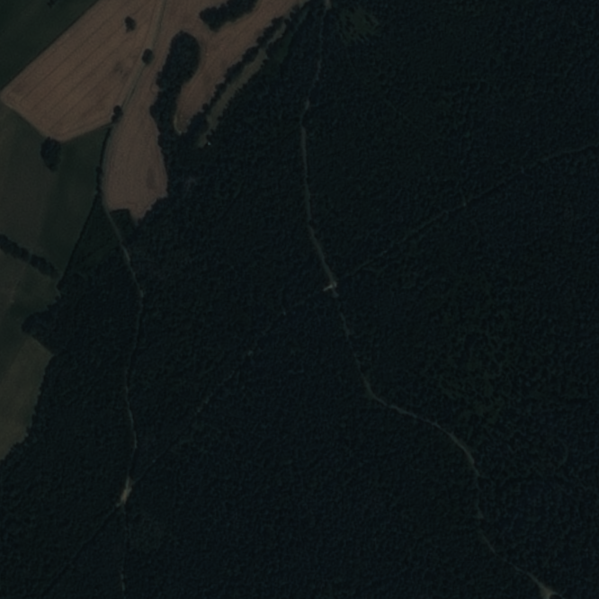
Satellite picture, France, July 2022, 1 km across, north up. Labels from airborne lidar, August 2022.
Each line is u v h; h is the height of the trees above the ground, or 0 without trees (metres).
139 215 0
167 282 16
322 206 7
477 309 10
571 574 26
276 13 0
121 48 0
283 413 21
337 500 22
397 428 18
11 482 9
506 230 24
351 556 21
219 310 15
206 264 20
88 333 11
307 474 21
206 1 0
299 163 12
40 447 13
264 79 10
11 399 0
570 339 17
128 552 16
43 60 0
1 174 0
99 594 8
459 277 10
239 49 0
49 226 0
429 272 17
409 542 18
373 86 6
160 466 9
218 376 15
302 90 22
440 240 13
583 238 19
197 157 11
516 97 15
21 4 0
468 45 12
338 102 8
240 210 14
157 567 18
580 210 23
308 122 16
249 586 19
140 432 17
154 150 0
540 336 13
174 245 11
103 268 13
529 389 29
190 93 0
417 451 11
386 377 16
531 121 15
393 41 9
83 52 0
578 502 16
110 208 0
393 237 17
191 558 14
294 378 20
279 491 22
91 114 0
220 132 8
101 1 0
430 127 13
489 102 16
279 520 21
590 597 26
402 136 12
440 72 6
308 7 8
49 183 0
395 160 10
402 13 10
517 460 12
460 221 19
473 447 12
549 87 18
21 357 0
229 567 15
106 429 15
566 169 13
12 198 0
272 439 17
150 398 18
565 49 21
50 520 10
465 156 15
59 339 16
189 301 17
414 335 18
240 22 0
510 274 11
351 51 19
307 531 23
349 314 11
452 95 7
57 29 0
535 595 21
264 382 19
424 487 14
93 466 14
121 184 0
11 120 0
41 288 0
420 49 11
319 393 23
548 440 27
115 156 0
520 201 20
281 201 9
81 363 13
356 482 20
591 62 20
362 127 9
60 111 0
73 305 11
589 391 21
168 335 16
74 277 8
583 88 23
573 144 22
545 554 25
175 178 23
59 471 10
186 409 13
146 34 0
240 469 17
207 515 17
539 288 21
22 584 17
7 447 0
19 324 0
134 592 14
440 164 15
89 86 0
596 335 17
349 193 12
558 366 21
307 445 18
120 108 13
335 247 14
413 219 19
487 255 19
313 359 22
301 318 23
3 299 0
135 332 15
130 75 0
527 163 18
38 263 17
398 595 20
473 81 8
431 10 11
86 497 12
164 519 15
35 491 17
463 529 11
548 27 22
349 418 13
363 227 10
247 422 20
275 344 27
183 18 0
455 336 9
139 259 8
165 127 21
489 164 23
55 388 12
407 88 12
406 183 12
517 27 18
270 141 13
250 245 13
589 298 18
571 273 18
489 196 18
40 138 0
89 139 0
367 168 10
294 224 8
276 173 10
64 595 10
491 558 15
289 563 15
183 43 23
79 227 0
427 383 9
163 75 17
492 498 23
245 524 22
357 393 14
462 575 17
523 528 31
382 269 8
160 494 15
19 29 0
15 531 23
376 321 16
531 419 25
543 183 16
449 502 14
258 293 21
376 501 20
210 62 0
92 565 12
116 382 13
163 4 0
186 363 12
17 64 0
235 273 15
